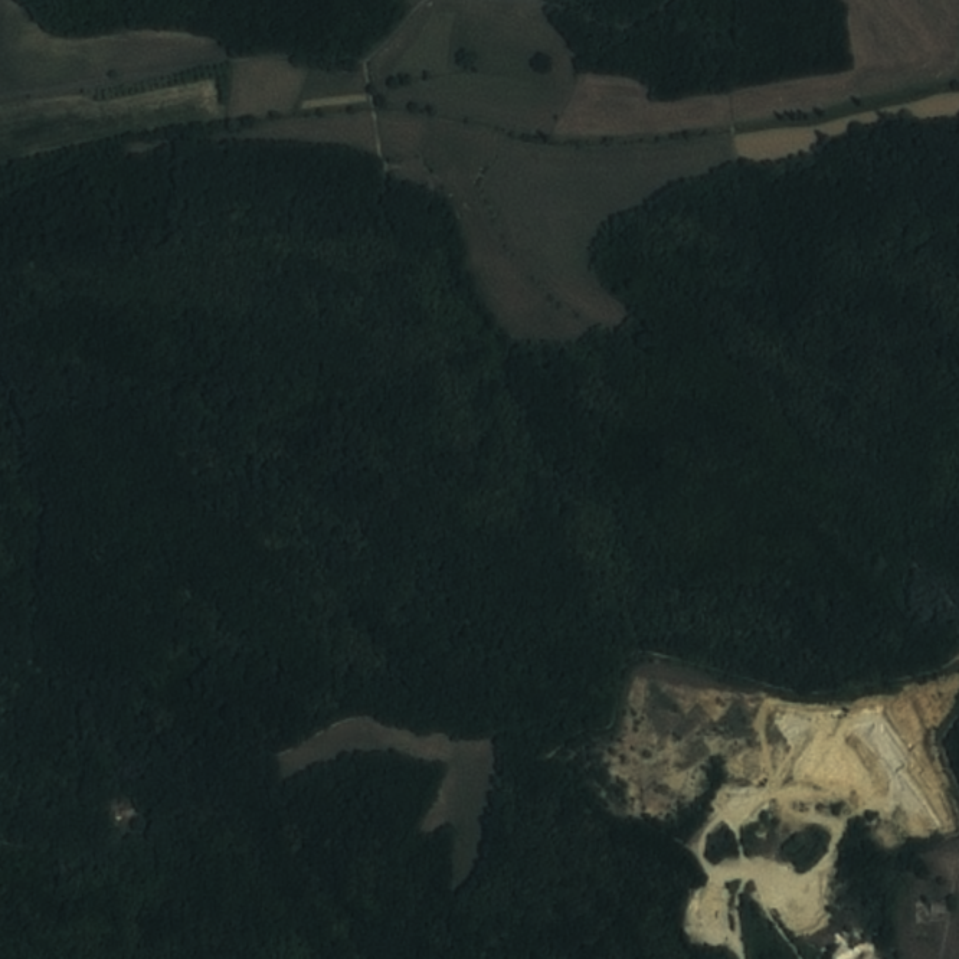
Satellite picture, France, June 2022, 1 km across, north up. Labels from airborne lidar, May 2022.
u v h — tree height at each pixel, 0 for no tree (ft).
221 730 33
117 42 0
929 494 59
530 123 0
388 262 50
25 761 79
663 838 41
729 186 50
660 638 41
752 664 55
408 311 50
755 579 37
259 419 62
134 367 44
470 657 79
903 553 20
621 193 0
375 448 29
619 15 51
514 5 0
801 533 20
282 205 80
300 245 62
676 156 0
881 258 58
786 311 69
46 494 95
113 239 31
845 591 27
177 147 65
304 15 49
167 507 76
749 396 28
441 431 54
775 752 0
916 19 0
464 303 49
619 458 26
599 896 62
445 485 52
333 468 37
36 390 86
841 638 58
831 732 0
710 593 56
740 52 41
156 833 52
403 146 0
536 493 61
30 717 98
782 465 18
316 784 56
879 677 42
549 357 66
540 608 42
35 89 0
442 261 38
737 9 34
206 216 61
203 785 65
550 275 0
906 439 44
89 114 0
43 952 61
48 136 0
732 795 0
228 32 68
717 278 59
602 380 44
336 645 77
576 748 34
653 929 59
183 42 0
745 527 35
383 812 77
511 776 49
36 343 43
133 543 99
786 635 64
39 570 104
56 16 52
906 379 52
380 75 0
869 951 0
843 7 38
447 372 49
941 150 84
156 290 46
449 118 0
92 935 59
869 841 30
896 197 78
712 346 19
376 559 71
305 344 62
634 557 54
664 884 57
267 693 52
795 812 0
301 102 0
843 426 54
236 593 77
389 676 56
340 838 50
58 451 88
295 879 68
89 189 21
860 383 56
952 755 45
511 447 45
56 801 64
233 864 44
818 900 0
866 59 0
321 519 74
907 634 56
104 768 60
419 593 58
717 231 65
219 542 74
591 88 0
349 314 53
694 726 0
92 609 85
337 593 79
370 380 36
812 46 25
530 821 58
